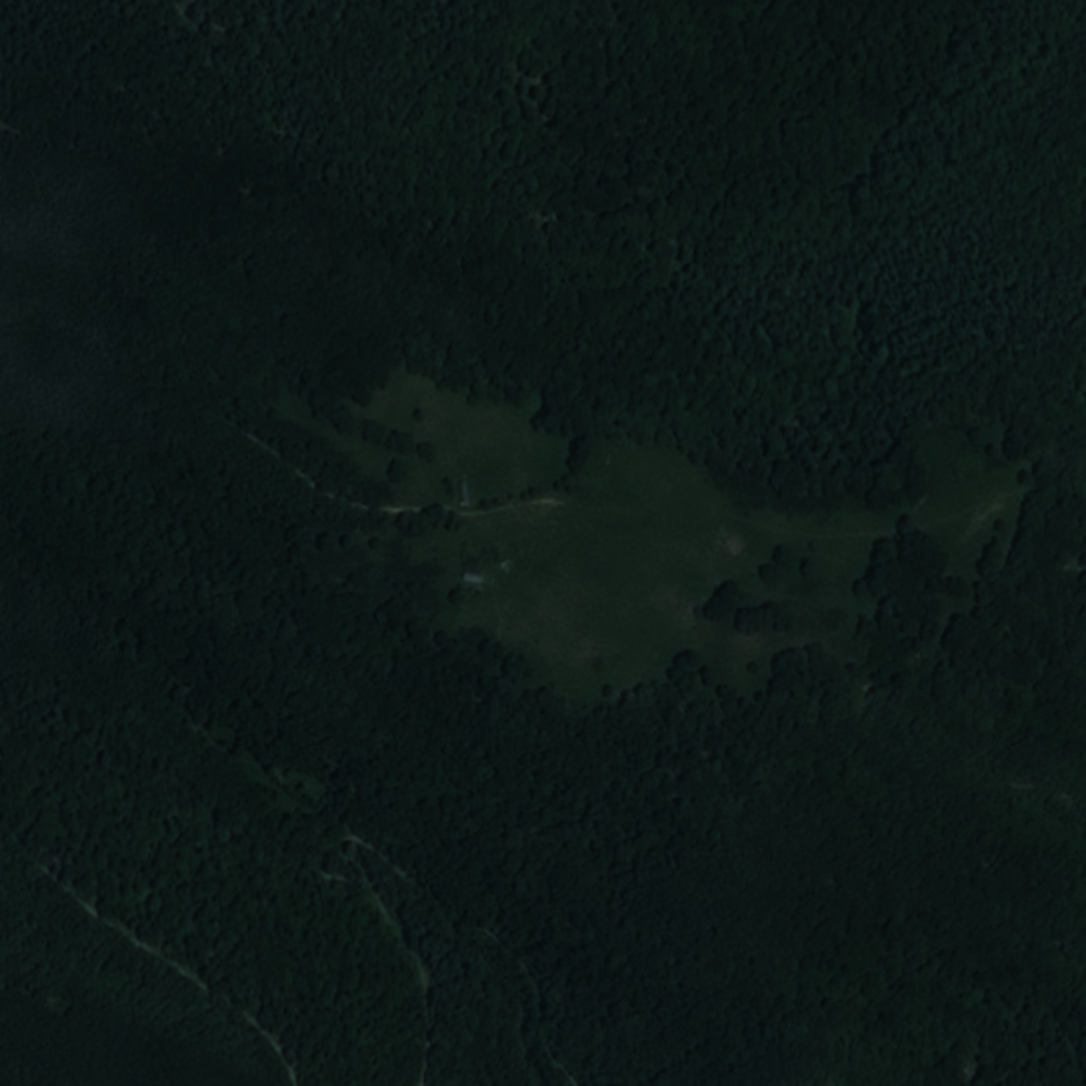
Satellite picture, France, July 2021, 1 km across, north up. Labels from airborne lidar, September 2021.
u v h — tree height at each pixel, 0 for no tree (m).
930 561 29
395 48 23
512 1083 21
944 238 23
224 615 24
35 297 17
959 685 18
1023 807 15
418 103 18
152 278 20
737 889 18
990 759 10
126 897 25
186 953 16
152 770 19
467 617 0
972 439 12
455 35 21
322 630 22
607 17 26
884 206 27
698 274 25
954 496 0
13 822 24
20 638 26
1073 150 14
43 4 16
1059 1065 23
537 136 23
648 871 20
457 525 20
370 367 21
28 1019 18
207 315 20
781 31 25
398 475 18
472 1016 22
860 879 20
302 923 7
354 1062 21
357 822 22
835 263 22
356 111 19
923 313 20
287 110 26
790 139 23
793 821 20
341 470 12
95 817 16
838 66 21
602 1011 13
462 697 18
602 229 25
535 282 17
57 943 23
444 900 20
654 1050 16
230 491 18
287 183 14
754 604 0
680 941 18
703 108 25
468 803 22
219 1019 20
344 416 18
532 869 20
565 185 24
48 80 16
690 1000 17
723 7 10
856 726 14
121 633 23
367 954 16
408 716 17
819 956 15
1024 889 17
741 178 22
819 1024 19
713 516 0
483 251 21
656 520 0
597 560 0
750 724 16
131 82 16
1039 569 22
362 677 19
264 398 0
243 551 20
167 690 25
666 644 0
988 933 17
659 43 21
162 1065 16
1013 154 18
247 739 16
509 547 0
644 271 28
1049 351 22
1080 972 13
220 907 15
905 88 18
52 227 16
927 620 27
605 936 19
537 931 22
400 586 8
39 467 23
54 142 12
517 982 22
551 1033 26
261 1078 15
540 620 0
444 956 17
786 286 22
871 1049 19
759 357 22
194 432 18
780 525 0
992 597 24
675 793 23
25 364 15
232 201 16
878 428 28
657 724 18
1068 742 15
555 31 19
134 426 16
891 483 30
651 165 18
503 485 0
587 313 24
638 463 0
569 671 0
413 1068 18
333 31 22
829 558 0
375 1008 17
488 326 18
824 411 23
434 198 23
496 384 20
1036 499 19
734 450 24
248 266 22
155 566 22
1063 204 18
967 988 29
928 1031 7
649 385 31
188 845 23
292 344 24
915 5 20
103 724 20
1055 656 21
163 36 19
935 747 12
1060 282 15
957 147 22
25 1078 18
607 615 0
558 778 19
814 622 0
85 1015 16
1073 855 20
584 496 0
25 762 23
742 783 18
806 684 23
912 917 20
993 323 22
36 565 31
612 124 26
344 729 27
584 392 24
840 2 26
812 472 29
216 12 21
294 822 23
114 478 22
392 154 19
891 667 11
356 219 9
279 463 18
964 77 22
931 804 15
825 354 25
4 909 20
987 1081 26
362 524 7
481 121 20
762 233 17
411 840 19
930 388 23
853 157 21
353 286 25
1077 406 31
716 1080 17
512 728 24
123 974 21
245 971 18
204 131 20
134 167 12
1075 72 16
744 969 13
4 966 16
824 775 17
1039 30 24
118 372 18
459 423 0
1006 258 18
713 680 17
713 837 19
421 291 21
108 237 15
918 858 11
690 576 0
